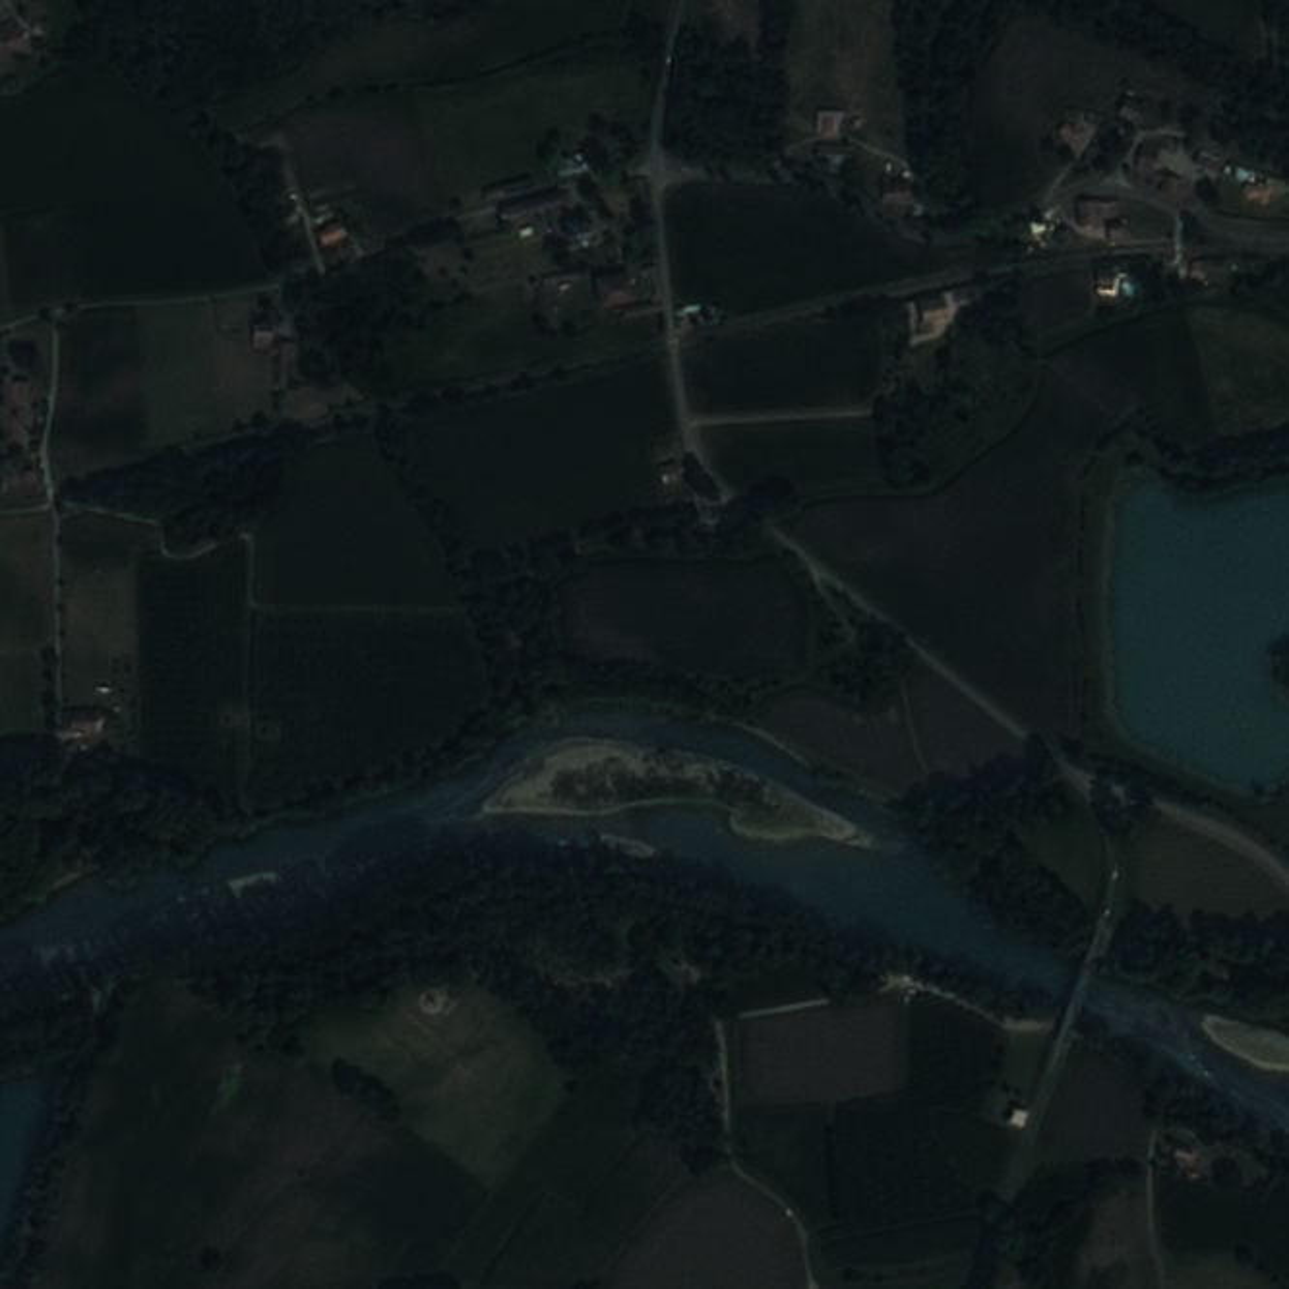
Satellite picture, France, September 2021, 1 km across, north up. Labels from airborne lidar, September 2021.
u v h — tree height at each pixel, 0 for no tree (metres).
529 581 11
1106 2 22
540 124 0
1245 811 0
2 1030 27
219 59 22
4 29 0
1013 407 0
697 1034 8
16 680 0
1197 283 12
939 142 27
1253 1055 0
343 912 40
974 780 17
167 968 26
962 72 21
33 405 7
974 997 22
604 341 0
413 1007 0
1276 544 0
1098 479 0
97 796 24
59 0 0
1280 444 14
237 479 17
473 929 23
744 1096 0
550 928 21
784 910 23
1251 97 17
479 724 9
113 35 19
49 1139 15
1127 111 0
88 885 0
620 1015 15
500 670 19
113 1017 10
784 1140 0
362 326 8
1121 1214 0
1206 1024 0
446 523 16
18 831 35
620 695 12
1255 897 0
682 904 21
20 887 31
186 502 14
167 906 0
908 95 17
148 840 38
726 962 32
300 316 16
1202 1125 12
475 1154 0
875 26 0
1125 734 0
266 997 11
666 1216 0
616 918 20
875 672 8
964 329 14
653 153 0
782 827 0
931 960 14
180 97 18
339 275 7
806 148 0
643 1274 0
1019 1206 6
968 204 26
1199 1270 0
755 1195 0
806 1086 0
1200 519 0
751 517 23
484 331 0
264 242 13
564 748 0
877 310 11
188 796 33
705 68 19
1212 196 19
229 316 0
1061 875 0
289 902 0
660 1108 22
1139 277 9
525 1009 28
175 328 0
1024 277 7
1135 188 0
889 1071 0
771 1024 0
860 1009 0
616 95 0
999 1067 9
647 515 13
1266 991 32
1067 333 0
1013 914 31
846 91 0
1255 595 0
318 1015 10
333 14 20
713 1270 0
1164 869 0
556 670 19
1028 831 13
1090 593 0
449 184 0
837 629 9
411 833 0
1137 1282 0
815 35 0
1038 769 27
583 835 0
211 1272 16
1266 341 0
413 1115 0
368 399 10
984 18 11
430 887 9
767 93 17
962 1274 0
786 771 0
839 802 0
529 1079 0
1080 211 0
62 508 13
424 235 15
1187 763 0
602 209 25
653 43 17
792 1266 0
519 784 0
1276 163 14
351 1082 21
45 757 24
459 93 0
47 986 33
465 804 0
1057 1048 0
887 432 12
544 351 0
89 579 0
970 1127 0
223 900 0
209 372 0
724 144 8
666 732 0
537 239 0
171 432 0
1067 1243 0
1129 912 0
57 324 10
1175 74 11
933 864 30
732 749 0
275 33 21
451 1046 0
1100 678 0
